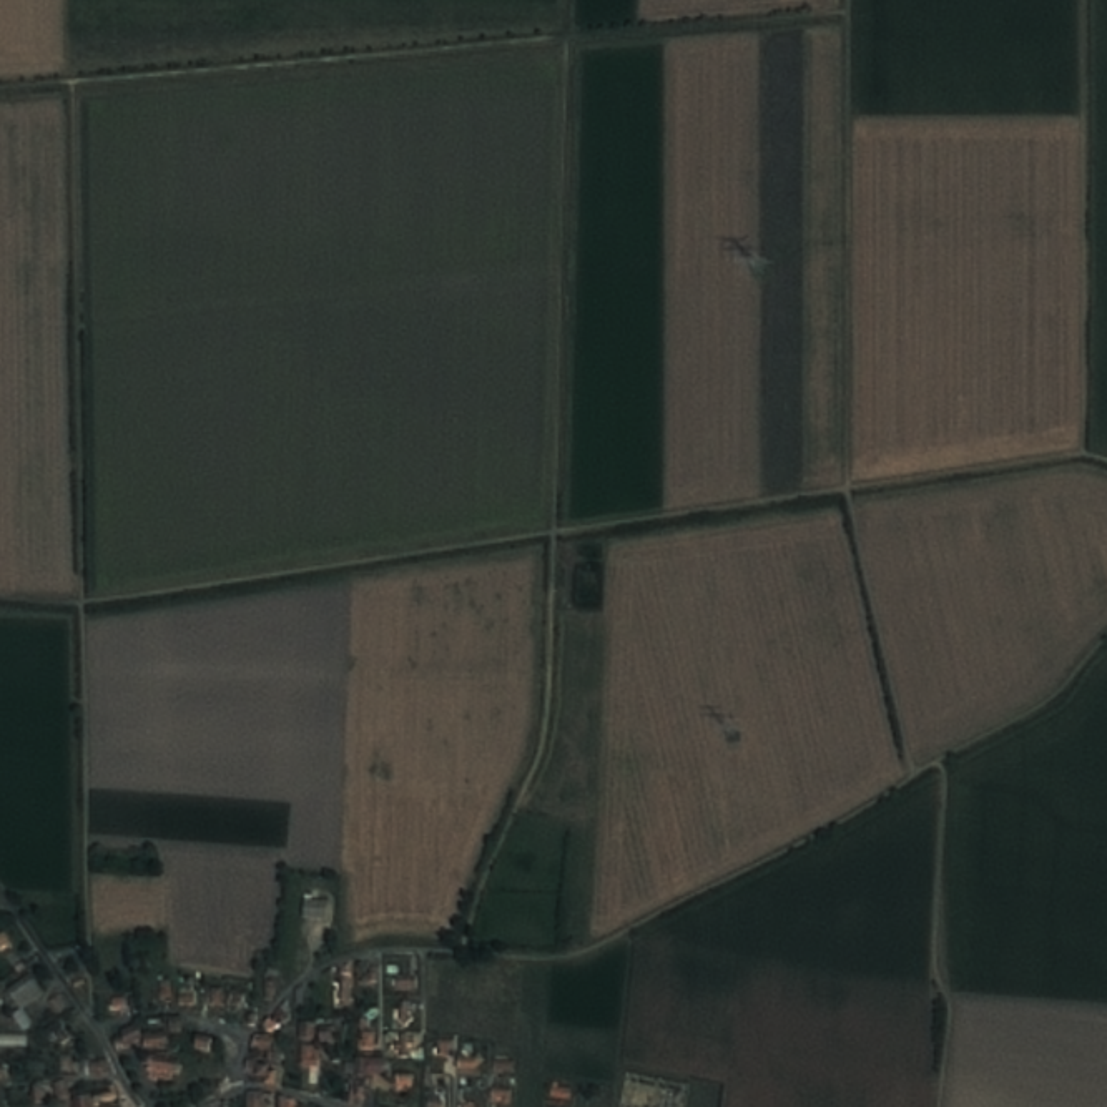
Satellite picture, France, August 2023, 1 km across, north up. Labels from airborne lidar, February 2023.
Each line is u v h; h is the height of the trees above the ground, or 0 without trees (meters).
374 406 0
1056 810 0
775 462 0
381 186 0
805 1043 0
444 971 0
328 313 0
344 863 0
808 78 0
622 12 0
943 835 0
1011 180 0
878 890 0
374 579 0
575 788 0
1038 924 0
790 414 0
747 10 0
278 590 0
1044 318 0
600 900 0
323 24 0
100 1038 0
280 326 0
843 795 0
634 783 0
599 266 0
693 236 0
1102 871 0
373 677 0
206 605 0
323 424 0
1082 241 0
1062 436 0
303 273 0
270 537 0
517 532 0
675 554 0
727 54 0
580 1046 0
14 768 0
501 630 0
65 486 0
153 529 0
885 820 0
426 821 0
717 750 0
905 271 0
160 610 0
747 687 0
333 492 0
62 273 0
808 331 0
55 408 0
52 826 0
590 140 0
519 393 0
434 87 0
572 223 0
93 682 0
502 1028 0
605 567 0
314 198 0
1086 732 0
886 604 0
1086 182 0
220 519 0
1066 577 0
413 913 0
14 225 0
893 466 0
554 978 0
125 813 0
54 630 0
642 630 0
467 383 0
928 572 0
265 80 0
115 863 7
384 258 0
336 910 0
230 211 0
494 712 0
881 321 0
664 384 0
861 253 0
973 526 0
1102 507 0
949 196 0
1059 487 0
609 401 0
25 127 0
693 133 0
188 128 0
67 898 0
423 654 0
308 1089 0
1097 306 0
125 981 16
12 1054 6
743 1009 0
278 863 0
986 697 0
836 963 0
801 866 0
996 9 0
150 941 10
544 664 0
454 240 0
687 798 0
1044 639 0
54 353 0
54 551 0
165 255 0
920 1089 0
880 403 0
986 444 0
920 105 0
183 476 0
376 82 0
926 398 0
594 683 0
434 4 0
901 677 0
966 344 0
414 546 0
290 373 0
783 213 0
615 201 0
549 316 0
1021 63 0
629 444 0
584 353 0
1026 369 0
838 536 0
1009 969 0
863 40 0
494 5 0
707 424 0
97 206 0
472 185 0
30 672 0
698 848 0
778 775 0
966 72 0
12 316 0
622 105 0
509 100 0
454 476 0
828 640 0
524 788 0
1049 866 0
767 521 0
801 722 0
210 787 0
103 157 0
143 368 0
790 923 0
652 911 0
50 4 0
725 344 0
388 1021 0
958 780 0
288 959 0
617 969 0
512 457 0
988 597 0
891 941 0
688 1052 0
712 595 0
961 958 0
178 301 0
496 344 0
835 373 0
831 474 0
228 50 0
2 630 0
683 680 0
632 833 0
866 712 0
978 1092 0
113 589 0
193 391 0
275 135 0
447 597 0
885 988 0
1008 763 0
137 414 0
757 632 0
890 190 0
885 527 0
